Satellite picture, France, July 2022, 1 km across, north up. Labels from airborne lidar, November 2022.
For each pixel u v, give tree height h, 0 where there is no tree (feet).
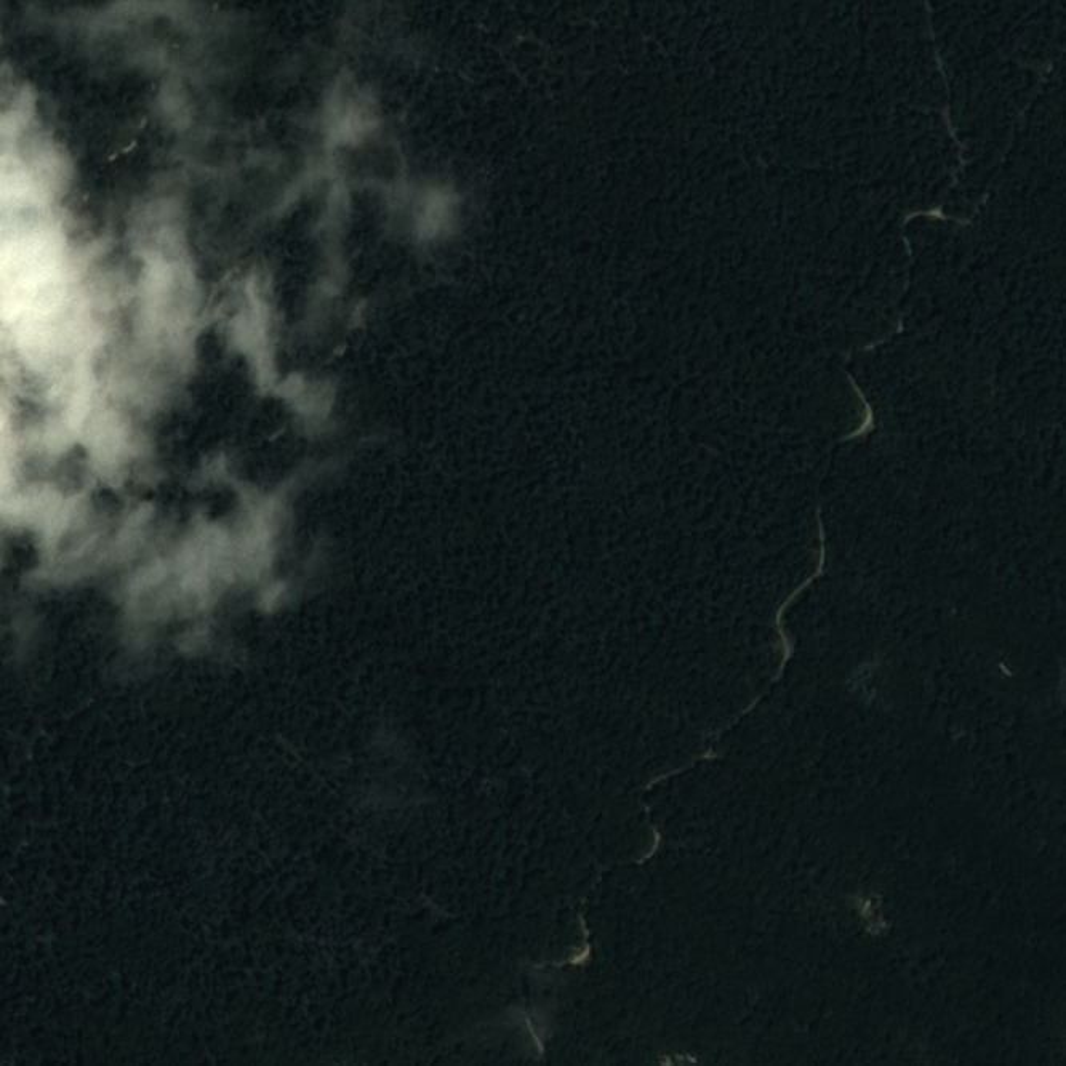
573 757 52
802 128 72
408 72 52
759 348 26
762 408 73
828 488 65
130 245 57
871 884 42
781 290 45
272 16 19
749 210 51
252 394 48
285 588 45
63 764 86
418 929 72
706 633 48
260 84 37
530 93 88
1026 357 53
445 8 49
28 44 84
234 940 90
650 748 41
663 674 40
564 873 59
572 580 60
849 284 58
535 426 75
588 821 65
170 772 56
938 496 55
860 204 78
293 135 21
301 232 53
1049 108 62
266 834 70
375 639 84
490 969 64
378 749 82
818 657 50
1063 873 44
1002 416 51
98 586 81
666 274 71
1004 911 45
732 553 65
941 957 46
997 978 53
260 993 66
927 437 27
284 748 28
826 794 50
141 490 86
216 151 77
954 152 52
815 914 54
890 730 45
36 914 70
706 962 56
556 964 45
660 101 62
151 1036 41
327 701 25
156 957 36
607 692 40
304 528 30
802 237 76
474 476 52
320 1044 65
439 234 100
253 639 43
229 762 87
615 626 54
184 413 80
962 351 51
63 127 57
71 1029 27
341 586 39
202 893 97
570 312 41
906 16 67
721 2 81
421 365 56
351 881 81
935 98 60
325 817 42
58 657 72
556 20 63
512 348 94
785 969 50
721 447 42
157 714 81
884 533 64
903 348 49
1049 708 50
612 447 65
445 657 28
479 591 23
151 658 71
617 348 102
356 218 84
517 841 64
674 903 50
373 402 21
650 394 62
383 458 44
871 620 52
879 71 49
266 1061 51
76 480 60
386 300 64
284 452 71
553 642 20
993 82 52
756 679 45
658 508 44
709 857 33
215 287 95
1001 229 36
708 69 93
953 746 62
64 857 75
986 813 44
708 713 47
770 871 46
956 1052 49
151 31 23
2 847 19
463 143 60
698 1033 50
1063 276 45
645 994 39
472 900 57
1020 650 46
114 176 77
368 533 73
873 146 68
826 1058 39
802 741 32
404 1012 41
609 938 54
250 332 68
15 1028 73
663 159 45
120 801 76
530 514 31
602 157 52
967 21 73
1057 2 62
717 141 72
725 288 45
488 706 73
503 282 75
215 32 35
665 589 93
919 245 59
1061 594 21
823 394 44
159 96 31
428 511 51
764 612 56
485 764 57
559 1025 64
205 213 88
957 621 47
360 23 82
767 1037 45
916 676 62
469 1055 56
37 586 69
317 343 67
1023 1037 46
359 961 76
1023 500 45
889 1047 46
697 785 57
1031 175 44
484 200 40
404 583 36
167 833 64
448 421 87
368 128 65
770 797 29
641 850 37
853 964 50
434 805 68
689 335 69
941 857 54
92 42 19
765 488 76
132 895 98
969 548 60
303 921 35
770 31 86
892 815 58
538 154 34
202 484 83
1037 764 58
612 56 46
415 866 54
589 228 81
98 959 58
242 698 29
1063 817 56
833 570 28
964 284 67
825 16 71
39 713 91
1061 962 44
